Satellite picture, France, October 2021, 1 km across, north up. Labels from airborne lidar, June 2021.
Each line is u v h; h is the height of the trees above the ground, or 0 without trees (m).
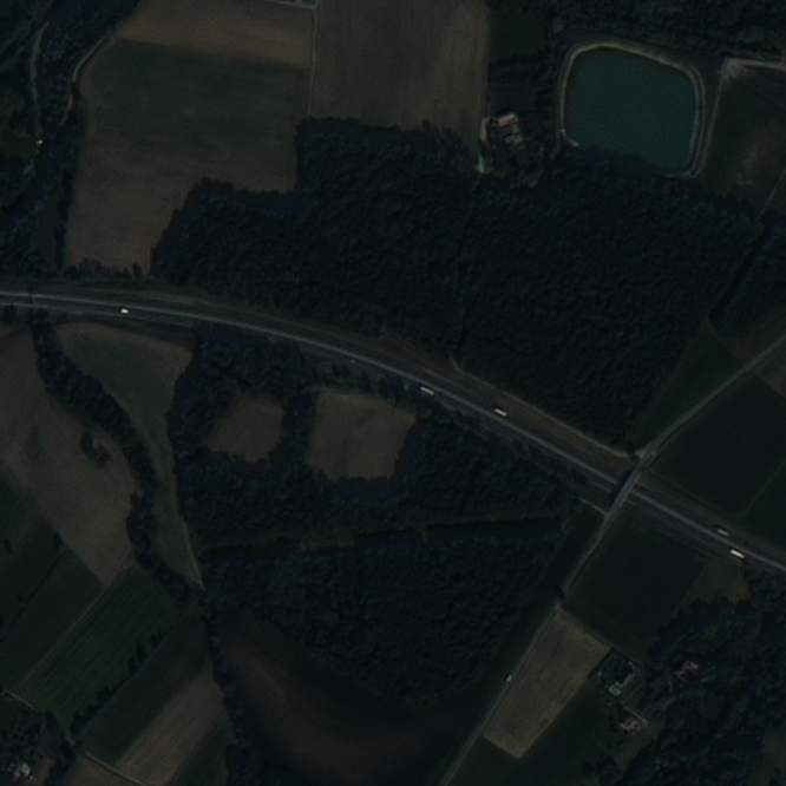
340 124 0
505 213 22
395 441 0
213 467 20
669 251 24
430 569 23
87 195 0
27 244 20
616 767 16
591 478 0
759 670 20
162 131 0
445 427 12
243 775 25
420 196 24
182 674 0
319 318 12
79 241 0
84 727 14
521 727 0
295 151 0
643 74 0
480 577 27
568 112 0
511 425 0
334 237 22
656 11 17
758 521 0
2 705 0
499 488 25
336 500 22
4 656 0
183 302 0
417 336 13
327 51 0
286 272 13
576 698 0
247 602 14
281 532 15
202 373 12
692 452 0
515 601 23
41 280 6
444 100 0
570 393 21
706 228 27
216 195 16
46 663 0
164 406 0
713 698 25
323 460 0
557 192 22
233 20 0
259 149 0
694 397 0
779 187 0
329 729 0
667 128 0
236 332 0
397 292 21
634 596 0
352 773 0
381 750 0
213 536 19
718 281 25
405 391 0
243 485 23
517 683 0
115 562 0
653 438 0
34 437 0
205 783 0
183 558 0
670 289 25
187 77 0
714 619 13
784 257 22
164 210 0
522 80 7
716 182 0
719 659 15
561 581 0
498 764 0
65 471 0
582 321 22
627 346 24
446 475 22
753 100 0
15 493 0
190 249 17
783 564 0
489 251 22
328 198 23
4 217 0
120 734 0
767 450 0
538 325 25
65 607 0
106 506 0
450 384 0
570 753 0
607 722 0
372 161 26
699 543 0
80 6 18
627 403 19
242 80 0
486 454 11
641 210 27
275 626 12
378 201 28
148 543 16
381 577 22
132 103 0
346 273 22
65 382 26
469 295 21
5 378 0
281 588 19
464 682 17
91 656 0
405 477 14
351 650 21
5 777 6
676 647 24
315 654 14
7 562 0
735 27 7
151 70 0
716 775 19
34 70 0
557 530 10
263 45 0
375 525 19
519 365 20
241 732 17
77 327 0
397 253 22
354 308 10
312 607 17
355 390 7
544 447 0
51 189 18
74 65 7
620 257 29
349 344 0
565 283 24
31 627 0
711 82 0
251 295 13
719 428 0
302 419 25
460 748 0
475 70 0
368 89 0
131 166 0
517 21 0
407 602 22
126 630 0
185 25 0
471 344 20
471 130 0
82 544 0
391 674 20
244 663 0
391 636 22
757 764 16
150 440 0
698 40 15
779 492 0
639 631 0
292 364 16
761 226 21
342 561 6
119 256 0
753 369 0
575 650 0
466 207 23
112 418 26
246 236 14
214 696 0
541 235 21
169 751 0
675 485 0
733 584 0
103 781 0
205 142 0
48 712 0
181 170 0
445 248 23
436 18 0
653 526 0
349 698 0
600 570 0
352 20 0
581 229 26
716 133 0
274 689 0
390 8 0
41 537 0
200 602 7
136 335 0
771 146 0
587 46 0
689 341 20
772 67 0
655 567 0
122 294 0
